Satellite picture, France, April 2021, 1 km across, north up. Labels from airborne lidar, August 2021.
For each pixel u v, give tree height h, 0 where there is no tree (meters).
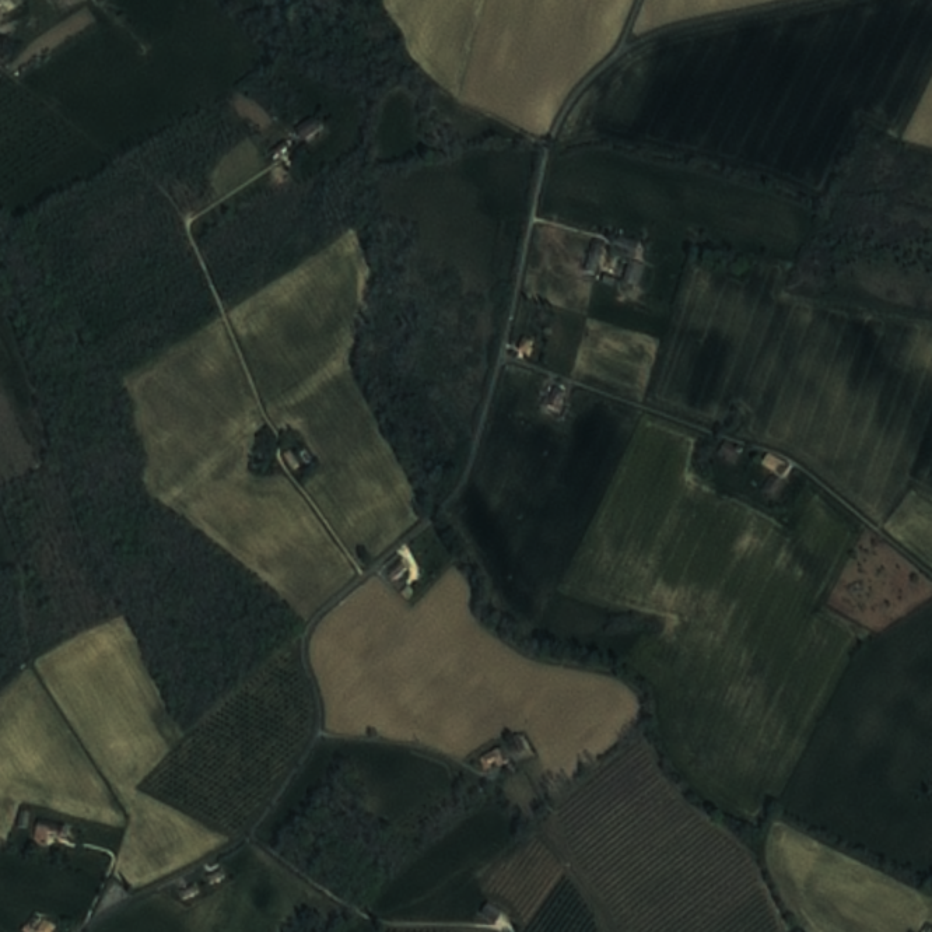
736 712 0
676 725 0
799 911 0
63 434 18
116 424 20
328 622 0
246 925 0
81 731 0
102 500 22
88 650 0
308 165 0
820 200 11
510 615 0
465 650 0
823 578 0
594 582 0
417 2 0
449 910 0
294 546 0
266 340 0
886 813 0
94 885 0
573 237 0
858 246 12
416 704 0
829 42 0
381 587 0
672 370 0
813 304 0
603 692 0
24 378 0
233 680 18
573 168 0
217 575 22
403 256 13
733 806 0
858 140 8
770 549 0
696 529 0
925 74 0
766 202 0
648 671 0
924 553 0
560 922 6
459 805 16
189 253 10
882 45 0
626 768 6
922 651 0
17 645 13
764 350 0
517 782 0
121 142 0
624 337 0
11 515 7
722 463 0
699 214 0
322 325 0
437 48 0
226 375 0
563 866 0
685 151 0
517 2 0
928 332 0
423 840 12
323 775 0
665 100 0
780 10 0
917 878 13
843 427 0
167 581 23
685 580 0
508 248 0
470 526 0
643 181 0
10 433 0
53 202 16
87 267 17
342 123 0
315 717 0
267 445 7
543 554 0
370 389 11
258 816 0
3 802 0
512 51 0
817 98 0
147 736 0
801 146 0
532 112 0
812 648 0
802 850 0
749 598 0
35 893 0
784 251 0
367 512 0
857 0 0
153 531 23
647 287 0
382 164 12
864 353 0
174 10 0
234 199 0
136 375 0
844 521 0
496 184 0
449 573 0
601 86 0
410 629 0
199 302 13
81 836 7
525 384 0
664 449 0
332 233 17
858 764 0
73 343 22
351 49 9
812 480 0
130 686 0
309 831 22
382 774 0
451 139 16
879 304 0
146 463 17
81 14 0
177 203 12
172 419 0
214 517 0
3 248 21
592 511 0
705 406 0
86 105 0
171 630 21
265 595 18
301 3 18
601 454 0
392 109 0
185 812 0
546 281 0
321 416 0
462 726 0
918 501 0
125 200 11
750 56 0
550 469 0
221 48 0
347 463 0
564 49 0
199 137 11
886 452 0
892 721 0
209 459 0
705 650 0
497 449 0
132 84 0
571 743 0
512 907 0
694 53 0
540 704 0
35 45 0
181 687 20
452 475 23
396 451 24
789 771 0
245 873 0
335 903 10
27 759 0
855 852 9
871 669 0
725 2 0
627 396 0
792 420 0
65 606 9
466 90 0
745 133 0
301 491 0
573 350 0
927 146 0
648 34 0
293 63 16
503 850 0
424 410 7
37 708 0
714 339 0
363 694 0
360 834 19
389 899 0
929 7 0
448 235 0
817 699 0
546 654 29
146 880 0
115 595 17
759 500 0
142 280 10
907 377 0
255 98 0
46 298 23
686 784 11
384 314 8
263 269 11
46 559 6
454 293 0
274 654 21
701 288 0
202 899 0
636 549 0
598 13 0
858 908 0
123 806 0
